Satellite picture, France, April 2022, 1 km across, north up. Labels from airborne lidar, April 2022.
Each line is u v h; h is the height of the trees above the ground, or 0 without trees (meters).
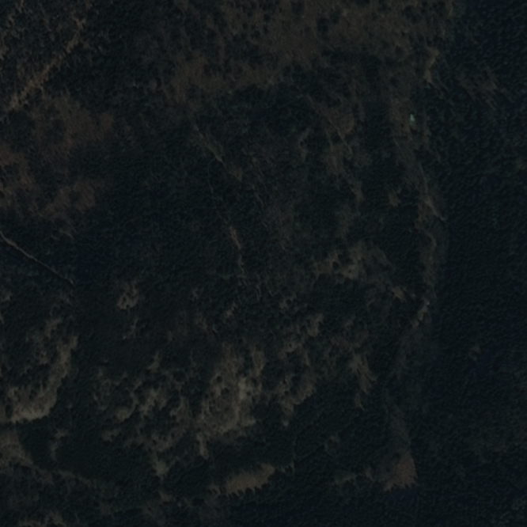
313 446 24
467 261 27
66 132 20
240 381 17
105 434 13
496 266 29
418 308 21
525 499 33
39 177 18
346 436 29
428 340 23
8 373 23
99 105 22
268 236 23
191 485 25
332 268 16
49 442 19
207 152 16
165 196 26
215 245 28
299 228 19
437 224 22
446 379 24
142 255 27
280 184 27
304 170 26
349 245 16
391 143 21
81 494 20
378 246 22
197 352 19
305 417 23
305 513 26
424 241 27
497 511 33
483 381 29
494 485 33
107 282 10
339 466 34
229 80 24
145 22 32
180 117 30
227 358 11
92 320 16
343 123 21
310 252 22
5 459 15
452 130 22
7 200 19
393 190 28
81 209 21
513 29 34
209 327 21
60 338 20
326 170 19
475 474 29
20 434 13
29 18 30
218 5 19
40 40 26
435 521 29
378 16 19
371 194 27
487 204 34
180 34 26
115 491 19
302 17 8
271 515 27
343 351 16
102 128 20
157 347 21
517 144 7
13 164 19
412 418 23
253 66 18
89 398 19
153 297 21
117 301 9
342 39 19
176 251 25
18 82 26
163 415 15
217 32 12
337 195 24
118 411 9
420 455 20
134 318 15
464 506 37
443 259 23
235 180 19
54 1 33
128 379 17
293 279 19
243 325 22
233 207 25
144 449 23
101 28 16
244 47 15
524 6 33
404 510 25
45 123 17
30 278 18
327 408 20
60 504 25
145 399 17
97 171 22
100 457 25
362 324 18
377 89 26
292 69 20
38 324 20
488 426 30
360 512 36
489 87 15
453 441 26
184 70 26
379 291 16
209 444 21
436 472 28
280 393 15
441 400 26
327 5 17
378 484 24
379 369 25
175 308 22
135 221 16
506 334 25
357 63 20
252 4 10
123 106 26
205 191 18
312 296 22
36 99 15
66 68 27
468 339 26
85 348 21
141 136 26
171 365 20
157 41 28
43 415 0
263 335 18
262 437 21
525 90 34
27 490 26
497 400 26
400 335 18
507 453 26
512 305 27
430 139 16
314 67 17
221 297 23
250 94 14
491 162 28
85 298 21
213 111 26
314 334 12
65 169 19
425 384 22
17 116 19
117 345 13
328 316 20
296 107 20
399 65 26
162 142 26
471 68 29
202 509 21
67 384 25
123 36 12
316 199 22
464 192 37
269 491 27
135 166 15
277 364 20
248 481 0
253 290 25
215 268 17
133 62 19
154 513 19
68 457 22
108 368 14
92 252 22
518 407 28
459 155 31
